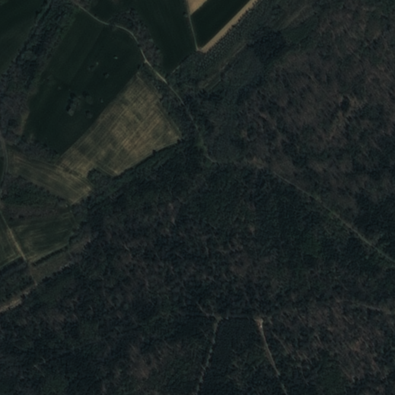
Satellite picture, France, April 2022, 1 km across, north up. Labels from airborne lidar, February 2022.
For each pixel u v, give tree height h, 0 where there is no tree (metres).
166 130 0
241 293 19
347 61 15
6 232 0
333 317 24
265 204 12
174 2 0
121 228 17
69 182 0
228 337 19
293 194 9
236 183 11
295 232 11
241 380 10
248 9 0
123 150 0
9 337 22
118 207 17
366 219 16
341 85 18
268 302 17
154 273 14
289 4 17
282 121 16
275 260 22
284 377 20
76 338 18
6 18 0
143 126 0
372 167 12
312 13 0
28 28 0
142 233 19
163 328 15
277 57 22
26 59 25
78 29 0
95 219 20
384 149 22
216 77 0
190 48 0
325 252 11
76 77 0
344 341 24
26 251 0
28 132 0
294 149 18
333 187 20
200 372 10
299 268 15
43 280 0
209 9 0
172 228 10
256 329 20
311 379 19
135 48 0
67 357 21
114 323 13
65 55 0
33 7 0
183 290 19
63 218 0
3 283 22
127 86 0
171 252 16
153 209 15
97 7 0
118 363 24
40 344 18
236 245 8
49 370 19
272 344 17
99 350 17
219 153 25
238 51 0
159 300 18
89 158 0
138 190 15
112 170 0
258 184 24
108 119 0
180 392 9
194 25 0
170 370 8
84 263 12
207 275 17
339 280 11
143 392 9
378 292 11
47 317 22
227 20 0
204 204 7
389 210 18
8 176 17
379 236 21
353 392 19
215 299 13
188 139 13
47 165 0
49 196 13
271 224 9
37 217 8
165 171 16
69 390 18
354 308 24
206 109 18
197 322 20
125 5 0
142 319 21
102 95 0
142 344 20
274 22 19
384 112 23
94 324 14
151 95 0
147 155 0
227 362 18
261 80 12
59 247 0
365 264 12
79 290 23
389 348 23
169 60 0
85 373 21
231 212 10
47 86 0
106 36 0
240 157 20
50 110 0
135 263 17
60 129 0
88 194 0
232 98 19
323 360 19
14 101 29
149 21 0
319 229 12
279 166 16
